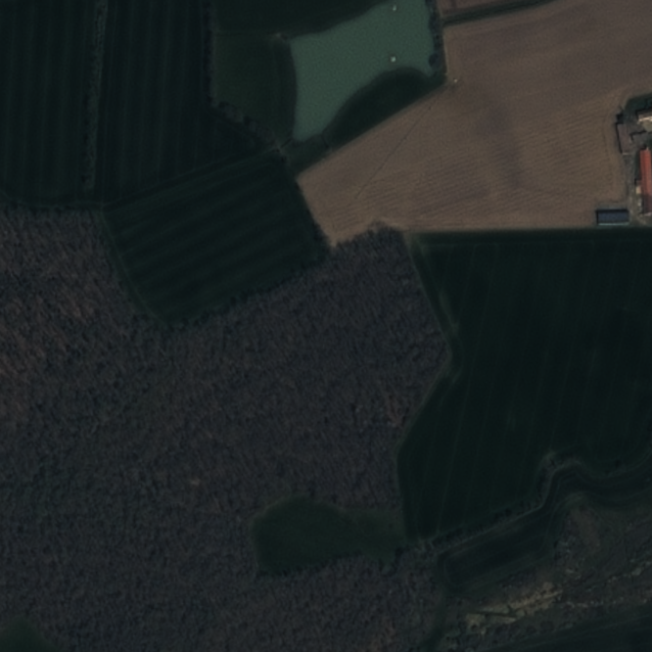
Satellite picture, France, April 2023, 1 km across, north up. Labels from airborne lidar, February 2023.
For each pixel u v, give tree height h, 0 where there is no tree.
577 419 0
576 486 0
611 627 0
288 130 0
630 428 0
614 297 0
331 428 16
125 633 19
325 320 22
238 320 21
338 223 0
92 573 11
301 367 21
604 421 0
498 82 0
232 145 0
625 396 0
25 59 0
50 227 24
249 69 0
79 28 0
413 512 0
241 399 23
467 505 0
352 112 0
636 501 0
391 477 20
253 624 9
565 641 0
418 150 0
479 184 0
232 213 0
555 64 0
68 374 19
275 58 0
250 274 0
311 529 0
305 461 18
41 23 0
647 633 0
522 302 0
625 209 0
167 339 13
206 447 21
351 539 0
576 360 0
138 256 0
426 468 0
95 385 25
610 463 0
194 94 0
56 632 16
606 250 0
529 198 0
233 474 23
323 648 11
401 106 0
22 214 21
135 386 25
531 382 0
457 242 0
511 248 0
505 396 0
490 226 0
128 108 0
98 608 15
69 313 20
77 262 26
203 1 0
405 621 20
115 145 0
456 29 0
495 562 0
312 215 12
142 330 25
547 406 0
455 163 0
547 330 0
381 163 0
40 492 16
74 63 0
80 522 16
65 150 0
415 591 14
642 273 0
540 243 0
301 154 0
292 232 0
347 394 24
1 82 0
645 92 0
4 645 0
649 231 0
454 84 0
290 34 0
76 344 25
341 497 22
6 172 0
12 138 0
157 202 0
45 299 26
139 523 20
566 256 0
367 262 20
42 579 17
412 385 22
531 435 0
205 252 0
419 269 0
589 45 0
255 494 26
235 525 16
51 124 0
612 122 0
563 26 0
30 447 21
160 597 12
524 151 0
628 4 0
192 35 0
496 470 0
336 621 14
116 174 0
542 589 0
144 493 23
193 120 0
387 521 0
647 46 0
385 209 0
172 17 0
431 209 0
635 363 0
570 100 0
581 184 0
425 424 0
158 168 0
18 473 25
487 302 0
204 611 11
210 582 15
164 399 16
